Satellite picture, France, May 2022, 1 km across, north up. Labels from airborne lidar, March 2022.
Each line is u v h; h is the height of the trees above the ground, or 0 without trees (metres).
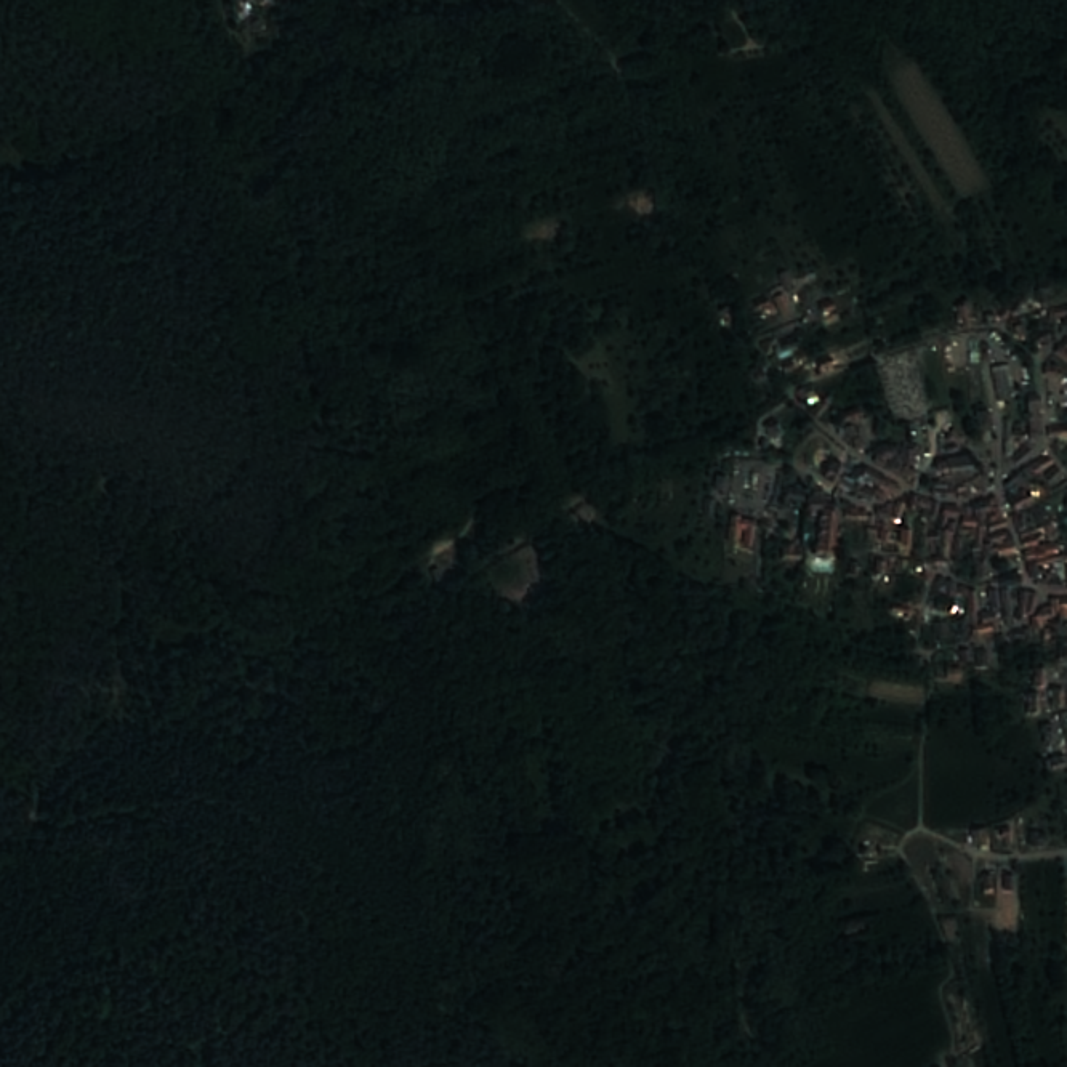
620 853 0
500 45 22
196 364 22
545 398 15
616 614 14
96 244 28
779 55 0
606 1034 23
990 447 0
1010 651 13
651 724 14
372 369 23
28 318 23
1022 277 11
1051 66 21
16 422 23
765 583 7
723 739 14
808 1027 24
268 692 35
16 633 21
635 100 23
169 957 28
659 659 24
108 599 19
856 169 0
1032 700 0
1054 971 18
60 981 23
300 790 21
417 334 11
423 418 26
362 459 22
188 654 17
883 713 0
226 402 18
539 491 20
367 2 22
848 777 0
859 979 10
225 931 18
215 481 20
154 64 26
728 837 20
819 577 0
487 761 21
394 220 11
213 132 10
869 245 0
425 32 24
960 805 0
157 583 27
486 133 22
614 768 17
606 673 20
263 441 22
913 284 9
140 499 22
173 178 23
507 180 26
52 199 27
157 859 20
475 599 26
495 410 19
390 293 12
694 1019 27
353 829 19
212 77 21
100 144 29
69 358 15
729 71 0
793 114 0
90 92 24
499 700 23
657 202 20
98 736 23
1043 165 10
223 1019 28
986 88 7
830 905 16
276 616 25
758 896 29
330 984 17
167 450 18
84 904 23
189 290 21
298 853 14
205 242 26
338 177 22
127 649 23
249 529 20
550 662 19
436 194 24
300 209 27
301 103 31
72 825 16
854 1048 0
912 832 0
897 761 0
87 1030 25
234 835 19
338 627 21
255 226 22
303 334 22
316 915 16
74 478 30
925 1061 0
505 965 14
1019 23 20
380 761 18
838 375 0
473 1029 17
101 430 18
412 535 23
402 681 20
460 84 24
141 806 17
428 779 16
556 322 13
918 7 25
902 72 0
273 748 26
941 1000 0
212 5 19
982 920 0
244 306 27
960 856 0
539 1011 15
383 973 17
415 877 18
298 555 31
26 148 18
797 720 14
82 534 17
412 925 19
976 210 9
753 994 22
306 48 17
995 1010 0
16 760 21
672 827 17
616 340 0
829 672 13
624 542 15
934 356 0
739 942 8
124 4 25
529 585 0
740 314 18
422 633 26
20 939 22
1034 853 0
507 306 13
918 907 7
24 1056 26
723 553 0
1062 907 0
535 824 16
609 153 20
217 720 27
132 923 21
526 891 23
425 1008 16
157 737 29
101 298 21
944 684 0
